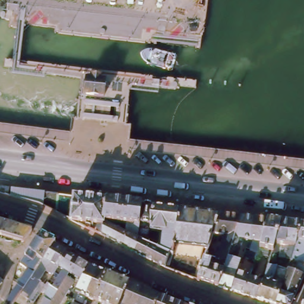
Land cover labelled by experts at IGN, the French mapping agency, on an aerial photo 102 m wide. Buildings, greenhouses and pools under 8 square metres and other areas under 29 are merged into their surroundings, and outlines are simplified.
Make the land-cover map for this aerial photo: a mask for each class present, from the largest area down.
<instances>
[{"label":"impervious surface","instance_id":"1","mask_svg":"<svg viewBox=\"0 0 304 304\"><path fill-rule=\"evenodd\" d=\"M209 0H192L186 2L183 8H176L172 17H165L158 11L153 13L114 6L90 5L91 0H0V17L7 20L9 27L14 30V57L5 59L6 69L11 70L13 74H39L78 80L85 77L87 81L104 82L109 85L108 90L102 93L82 91L75 99L77 108H81L85 99L118 101L110 110L84 109V113L113 115L118 121L82 120L80 115L75 116L69 131L0 122V216L31 227H44L47 232L55 234V241L51 245L53 251L62 255H75L77 258L81 256L84 260L116 273L126 274L128 278L147 285L151 290L170 294L171 297L180 300L188 297L195 304H268L241 296V289L229 291L227 284L205 283L197 280V274L185 273L169 265L161 267L156 262L148 261L145 253L126 246L125 243L101 235H90L87 230L70 222L68 215L59 213L47 205L43 210L37 203L25 201L21 195L11 191V186L65 194L78 189L101 191L104 195L120 194L150 198L153 202L182 205L183 208L186 205L189 208L211 209L218 216L226 211H229V216L236 214L240 217L249 213L251 224L259 223L260 214H279L304 220V158L132 139L131 123L127 121L129 91L158 93L160 88H195L196 80L192 78H156L137 72L96 70L34 61L20 62L25 23L50 27L66 36L131 43H166L194 46L199 49ZM36 234L32 232V228L21 237L0 229V278L4 280L14 258H24Z\"/></svg>","mask_w":304,"mask_h":304},{"label":"water","instance_id":"2","mask_svg":"<svg viewBox=\"0 0 304 304\"><path fill-rule=\"evenodd\" d=\"M34 61L96 70L137 72L156 78H192L196 80L195 88H160L158 93L129 91L127 121L131 123L132 139L304 158V0H209L199 49L194 46L166 43H131L66 36L50 27L25 23L20 62ZM14 30L9 27L7 20L0 17V122L69 131L75 116L80 115L81 108H77L75 99L82 91L78 80L39 74H13L11 70L6 69L5 59L14 57Z\"/></svg>","mask_w":304,"mask_h":304},{"label":"building","instance_id":"3","mask_svg":"<svg viewBox=\"0 0 304 304\"><path fill-rule=\"evenodd\" d=\"M82 91L102 93L108 90L109 85L104 82L87 81L85 77L78 80ZM118 101L85 99L81 108L80 115L82 120L118 121L113 115L84 113V109L110 110ZM11 191L21 195L25 201L37 203L43 210L47 205L59 213L68 215L70 222L87 230L90 235H101L125 243L126 246L145 253L148 261L156 262L161 267L169 265L185 273L197 274V280L205 283L227 284L229 291L241 289V296L268 304H304V220L279 214H260L259 223L251 224L249 213L240 217L236 214L229 216V211H226L218 216L211 209L189 208L186 205L183 208L182 205L153 202L150 198L120 194L104 195L101 191L78 189L65 194L11 186ZM32 228V232L36 234L24 258H14L4 280L0 278V304H195L188 297L180 300L171 297L170 294L151 290L147 285L128 278L126 274L116 273L84 260L81 256L77 258L75 255H62L53 251L51 245L55 241V234L47 232L44 227H31L0 216V229L21 237Z\"/></svg>","mask_w":304,"mask_h":304},{"label":"bare soil","instance_id":"4","mask_svg":"<svg viewBox=\"0 0 304 304\"><path fill-rule=\"evenodd\" d=\"M192 0H91L90 5L114 6L153 13L158 11L165 17H172L176 8H183L186 2Z\"/></svg>","mask_w":304,"mask_h":304}]
</instances>
